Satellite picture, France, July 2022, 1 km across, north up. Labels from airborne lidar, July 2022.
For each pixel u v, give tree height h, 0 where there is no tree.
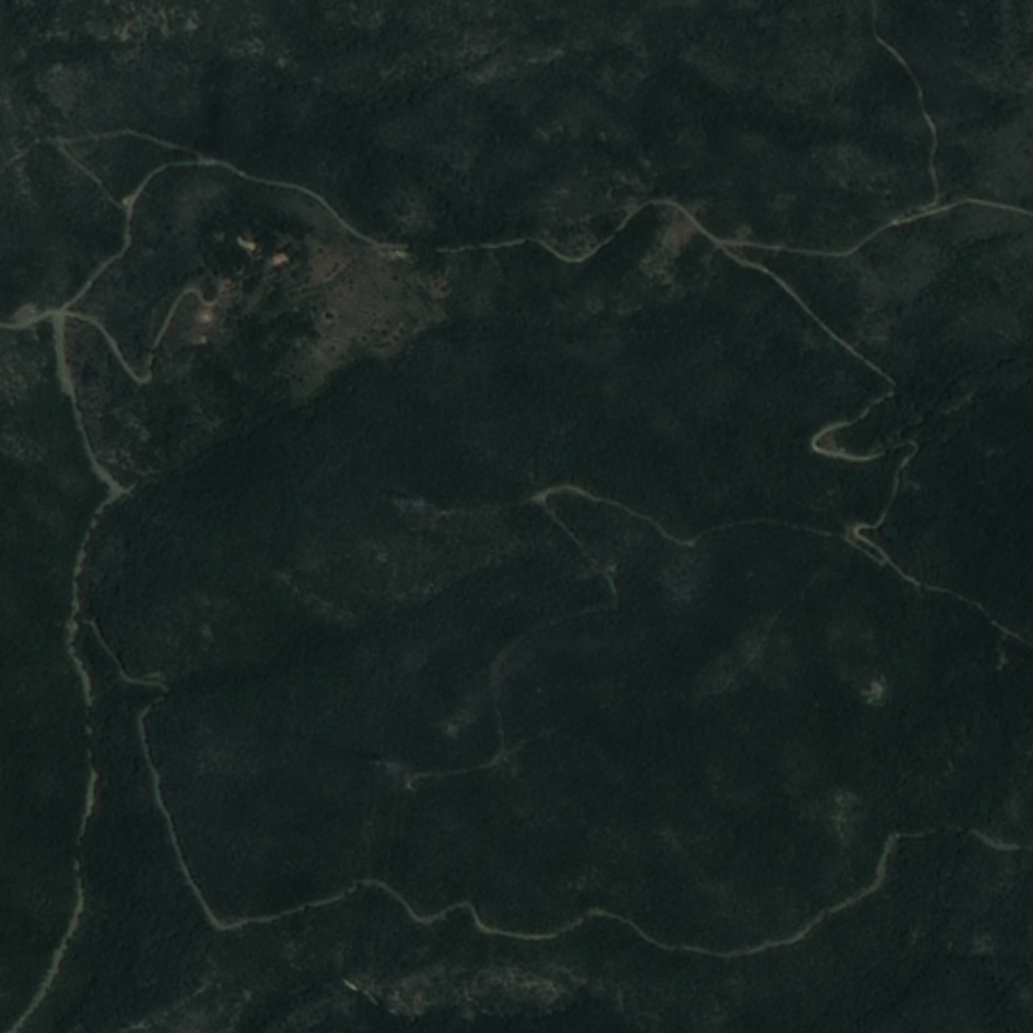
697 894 6
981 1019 8
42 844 7
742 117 6
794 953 6
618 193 7
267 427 12
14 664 6
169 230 11
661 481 7
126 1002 6
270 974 7
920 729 13
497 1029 7
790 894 6
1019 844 6
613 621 7
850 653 7
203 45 6
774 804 7
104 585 6
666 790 6
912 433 10
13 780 6
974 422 7
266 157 6
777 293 5
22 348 6
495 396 7
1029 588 11
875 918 6
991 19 8
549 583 7
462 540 6
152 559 7
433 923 6
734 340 8
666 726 7
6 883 5
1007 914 7
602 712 5
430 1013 10
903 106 6
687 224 0
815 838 6
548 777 5
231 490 8
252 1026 12
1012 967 8
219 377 7
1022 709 9
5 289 6
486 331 8
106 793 9
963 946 6
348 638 7
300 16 7
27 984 7
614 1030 8
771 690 8
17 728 8
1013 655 7
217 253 7
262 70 9
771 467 6
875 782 6
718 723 6
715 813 8
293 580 6
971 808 12
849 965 7
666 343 7
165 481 7
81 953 7
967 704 8
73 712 6
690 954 7
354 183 7
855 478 7
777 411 7
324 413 9
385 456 6
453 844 6
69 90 0
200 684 12
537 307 7
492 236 10
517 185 6
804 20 6
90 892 8
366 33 8
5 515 9
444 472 6
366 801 6
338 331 0
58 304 0
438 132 6
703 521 6
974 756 6
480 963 6
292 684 8
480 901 6
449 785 6
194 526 8
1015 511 9
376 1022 7
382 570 6
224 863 6
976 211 0
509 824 6
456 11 6
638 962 6
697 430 6
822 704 12
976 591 9
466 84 7
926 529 7
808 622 6
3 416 6
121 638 6
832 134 6
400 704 6
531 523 6
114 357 6
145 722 6
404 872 7
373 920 7
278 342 7
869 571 6
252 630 6
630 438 8
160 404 7
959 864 6
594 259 7
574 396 8
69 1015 9
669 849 6
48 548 7
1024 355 9
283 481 6
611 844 6
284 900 7
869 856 6
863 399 6
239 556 6
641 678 6
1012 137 0
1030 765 7
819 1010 9
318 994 6
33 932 7
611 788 7
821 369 6
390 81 9
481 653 6
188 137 6
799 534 6
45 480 7
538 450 8
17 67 7
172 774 6
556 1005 8
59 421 7
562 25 7
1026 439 8
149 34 6
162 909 8
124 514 7
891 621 11
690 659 6
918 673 8
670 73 8
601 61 8
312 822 9
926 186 7
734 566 7
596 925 13
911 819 7
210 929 7
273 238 8
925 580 8
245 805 5
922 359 7
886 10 7
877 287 0
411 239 9
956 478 8
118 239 8
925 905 6
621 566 7
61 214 6
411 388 7
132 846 10
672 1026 8
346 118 8
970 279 6
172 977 6
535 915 6
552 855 8
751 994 7
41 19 6
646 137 9
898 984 12
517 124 9
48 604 6
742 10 6
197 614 6
